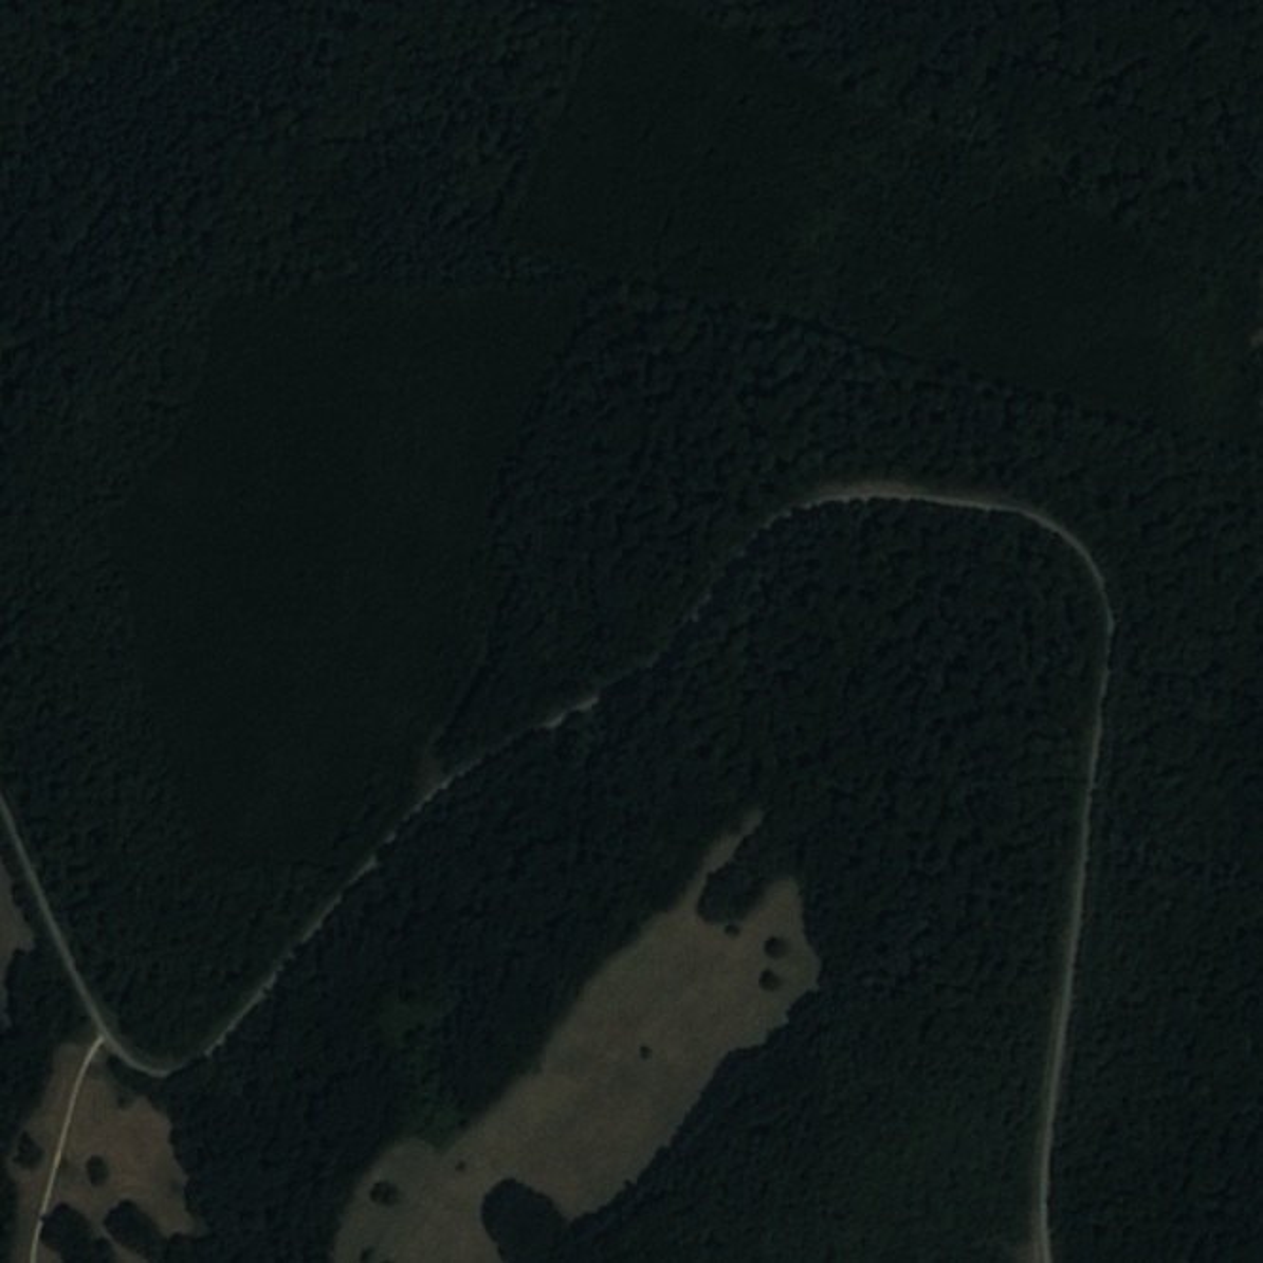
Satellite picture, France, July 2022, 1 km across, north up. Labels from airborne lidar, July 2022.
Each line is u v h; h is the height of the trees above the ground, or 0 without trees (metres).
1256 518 25
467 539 10
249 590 14
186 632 13
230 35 23
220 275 19
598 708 8
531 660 23
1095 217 9
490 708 25
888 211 7
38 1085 12
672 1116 0
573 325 12
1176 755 28
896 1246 15
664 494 29
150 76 26
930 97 29
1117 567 16
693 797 24
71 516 16
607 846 14
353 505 12
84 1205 0
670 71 10
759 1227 17
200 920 22
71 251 22
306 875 20
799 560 26
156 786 18
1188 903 24
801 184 7
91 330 23
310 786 11
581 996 7
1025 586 30
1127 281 10
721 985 0
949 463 27
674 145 11
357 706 10
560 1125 0
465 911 9
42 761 23
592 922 15
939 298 7
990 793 19
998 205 6
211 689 14
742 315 26
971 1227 13
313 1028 21
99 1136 0
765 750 28
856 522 22
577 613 22
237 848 14
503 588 11
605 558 29
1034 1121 11
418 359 11
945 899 29
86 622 19
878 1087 18
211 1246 18
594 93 9
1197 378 11
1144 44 26
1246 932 17
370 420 13
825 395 32
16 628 23
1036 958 11
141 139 30
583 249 10
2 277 26
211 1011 19
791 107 14
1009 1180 14
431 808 11
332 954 24
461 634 14
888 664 27
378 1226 0
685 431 26
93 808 25
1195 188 28
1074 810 20
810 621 30
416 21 20
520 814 21
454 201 27
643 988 0
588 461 30
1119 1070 18
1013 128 28
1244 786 25
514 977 30
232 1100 19
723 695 28
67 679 21
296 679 11
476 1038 24
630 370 30
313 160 21
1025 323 10
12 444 26
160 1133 0
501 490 11
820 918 19
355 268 24
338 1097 22
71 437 19
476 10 25
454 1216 0
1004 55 30
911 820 28
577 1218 0
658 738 25
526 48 29
